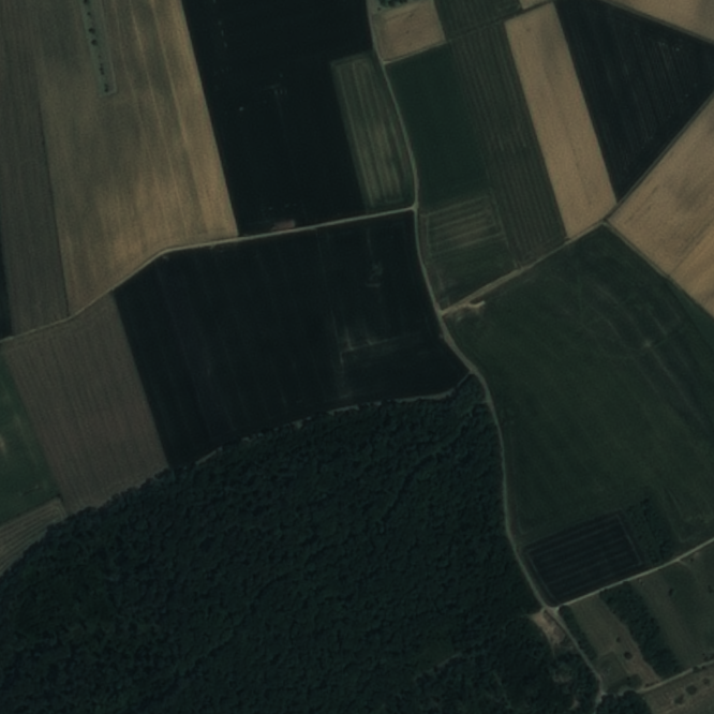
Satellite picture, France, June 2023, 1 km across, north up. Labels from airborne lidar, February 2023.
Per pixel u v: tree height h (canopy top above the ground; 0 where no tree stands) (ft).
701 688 0
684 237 0
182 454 0
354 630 75
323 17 0
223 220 0
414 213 0
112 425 0
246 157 0
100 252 0
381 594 78
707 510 0
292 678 70
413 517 59
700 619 0
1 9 0
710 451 0
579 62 0
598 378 0
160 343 0
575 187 0
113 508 60
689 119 0
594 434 0
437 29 0
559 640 0
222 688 75
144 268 0
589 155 0
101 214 0
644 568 0
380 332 0
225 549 81
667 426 0
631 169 0
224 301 0
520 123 0
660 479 0
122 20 0
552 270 0
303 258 0
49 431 0
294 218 0
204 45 0
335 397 0
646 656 19
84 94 0
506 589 18
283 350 0
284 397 0
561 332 0
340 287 0
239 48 0
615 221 0
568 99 0
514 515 0
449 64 0
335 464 98
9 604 86
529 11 0
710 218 0
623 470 0
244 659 66
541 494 0
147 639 93
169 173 0
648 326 0
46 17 0
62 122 0
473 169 0
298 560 77
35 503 0
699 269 0
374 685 69
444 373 0
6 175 0
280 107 0
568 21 0
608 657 0
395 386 0
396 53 0
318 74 0
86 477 0
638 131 0
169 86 0
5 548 0
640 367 0
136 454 0
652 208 0
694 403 0
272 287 0
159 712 75
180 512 90
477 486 65
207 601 75
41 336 0
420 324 0
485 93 0
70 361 0
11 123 0
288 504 81
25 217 0
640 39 0
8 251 0
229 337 0
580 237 0
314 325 0
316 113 0
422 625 75
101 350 0
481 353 0
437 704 83
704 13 0
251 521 80
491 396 0
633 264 0
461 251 0
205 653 65
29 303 0
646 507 23
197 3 0
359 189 0
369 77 0
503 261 0
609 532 0
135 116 0
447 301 0
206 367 0
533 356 0
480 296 0
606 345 0
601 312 0
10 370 0
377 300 0
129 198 0
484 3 0
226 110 0
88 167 0
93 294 0
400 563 68
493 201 0
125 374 0
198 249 0
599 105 0
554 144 0
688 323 0
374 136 0
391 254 0
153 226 0
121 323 0
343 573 83
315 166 0
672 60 0
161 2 0
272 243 0
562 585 0
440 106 0
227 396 0
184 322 0
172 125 0
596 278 0
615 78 0
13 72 0
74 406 0
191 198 0
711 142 0
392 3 20
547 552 0
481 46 0
